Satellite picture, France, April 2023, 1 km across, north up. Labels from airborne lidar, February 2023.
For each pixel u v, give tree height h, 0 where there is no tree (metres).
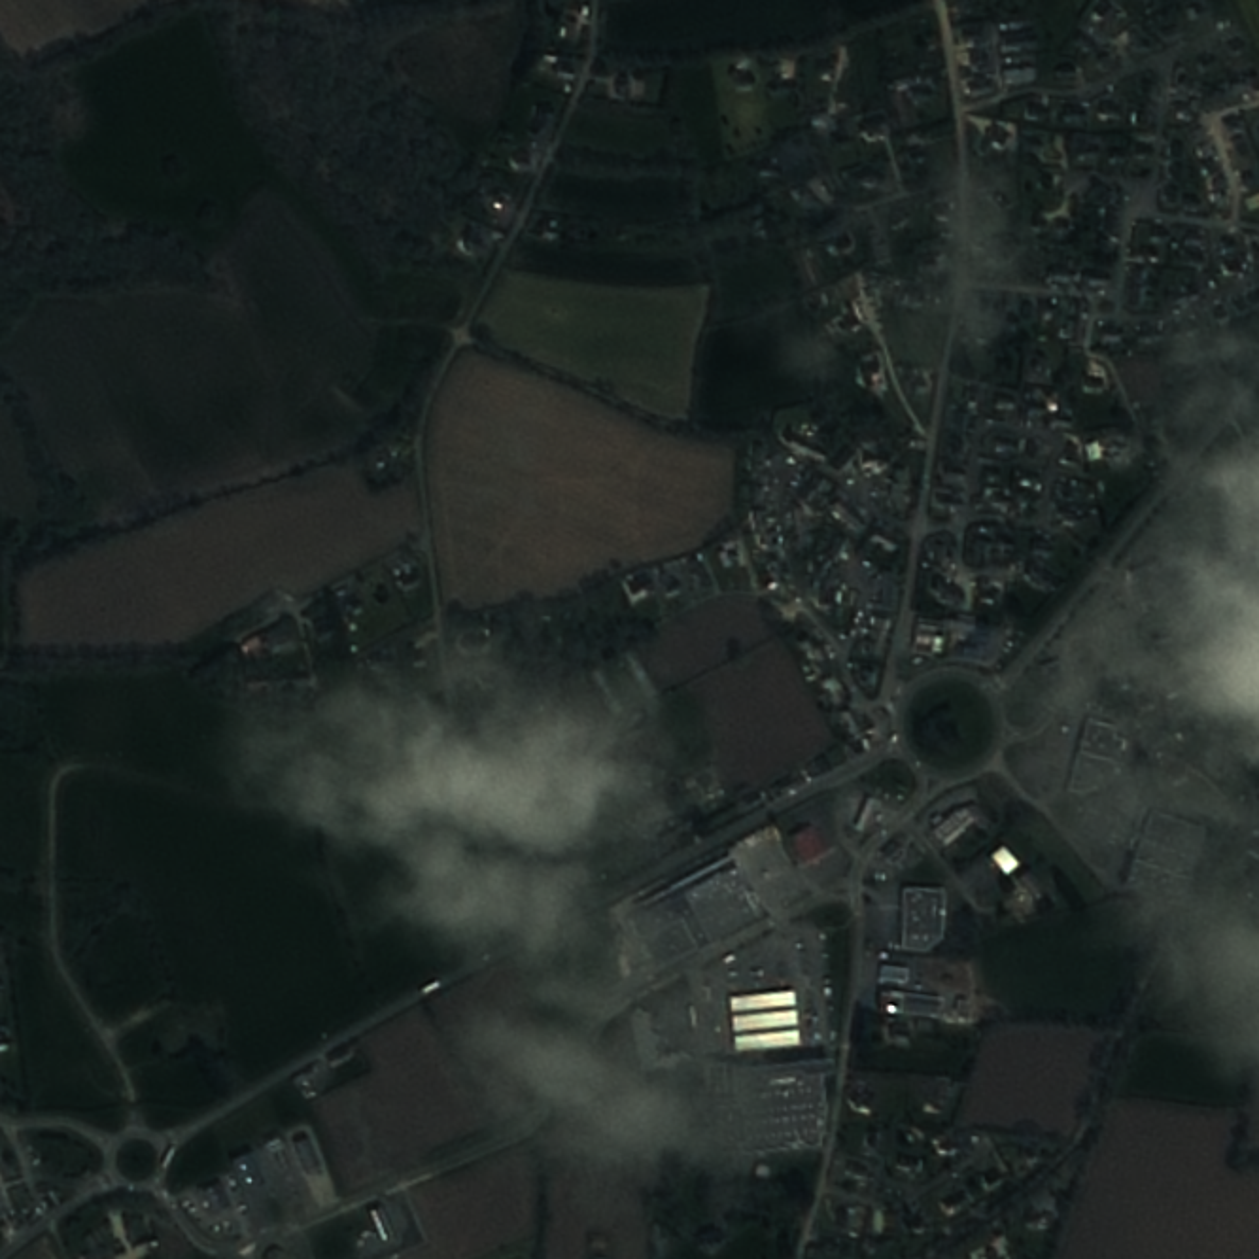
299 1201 0
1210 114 0
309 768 8
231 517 0
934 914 0
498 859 0
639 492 0
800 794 0
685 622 0
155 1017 0
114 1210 13
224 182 0
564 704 0
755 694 0
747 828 0
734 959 0
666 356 0
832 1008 0
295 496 0
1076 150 11
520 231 0
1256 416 0
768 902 0
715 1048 0
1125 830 0
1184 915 11
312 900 0
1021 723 0
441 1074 0
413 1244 0
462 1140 0
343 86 10
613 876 0
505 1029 0
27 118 7
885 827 0
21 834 0
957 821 0
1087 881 0
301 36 12
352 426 0
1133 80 0
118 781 0
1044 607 0
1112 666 0
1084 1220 0
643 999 0
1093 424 0
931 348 0
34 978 0
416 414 12
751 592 0
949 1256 12
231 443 0
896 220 0
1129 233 0
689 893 0
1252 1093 11
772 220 10
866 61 0
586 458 0
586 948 0
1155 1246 0
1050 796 0
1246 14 0
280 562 0
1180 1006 0
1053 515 0
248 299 0
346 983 0
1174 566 0
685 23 0
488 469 0
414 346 0
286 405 0
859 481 0
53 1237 0
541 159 0
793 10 0
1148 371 0
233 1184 0
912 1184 0
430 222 17
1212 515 0
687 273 0
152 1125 0
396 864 0
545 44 7
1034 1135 15
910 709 0
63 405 0
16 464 0
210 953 0
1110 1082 15
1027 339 9
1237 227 0
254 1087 0
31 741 0
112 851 0
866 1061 10
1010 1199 14
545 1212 6
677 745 0
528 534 0
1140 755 12
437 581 0
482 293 0
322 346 0
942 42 0
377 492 9
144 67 0
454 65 0
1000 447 0
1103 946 0
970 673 0
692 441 12
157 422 0
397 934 0
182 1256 0
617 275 0
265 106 8
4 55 16
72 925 0
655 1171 0
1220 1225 0
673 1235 7
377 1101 0
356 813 0
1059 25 0
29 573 15
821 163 8
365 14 17
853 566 0
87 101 0
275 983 0
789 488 0
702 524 0
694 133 0
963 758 0
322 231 0
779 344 0
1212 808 0
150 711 0
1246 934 0
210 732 0
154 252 11
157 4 15
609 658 11
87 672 13
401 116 16
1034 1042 0
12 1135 0
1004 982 0
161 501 0
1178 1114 0
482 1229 0
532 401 0
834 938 0
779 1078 0
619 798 0
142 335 0
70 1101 0
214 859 0
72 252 11
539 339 0
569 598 10
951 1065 0
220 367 0
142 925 7
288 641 0
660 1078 12
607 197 0
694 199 11
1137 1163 0
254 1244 0
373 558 0
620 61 13
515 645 15
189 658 11
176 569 0
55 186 9
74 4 0
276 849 0
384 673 0
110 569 0
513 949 0
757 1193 11
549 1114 0
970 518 0
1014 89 0
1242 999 0
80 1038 0
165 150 0
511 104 0
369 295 0
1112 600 0
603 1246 0
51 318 0
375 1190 0
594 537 0
